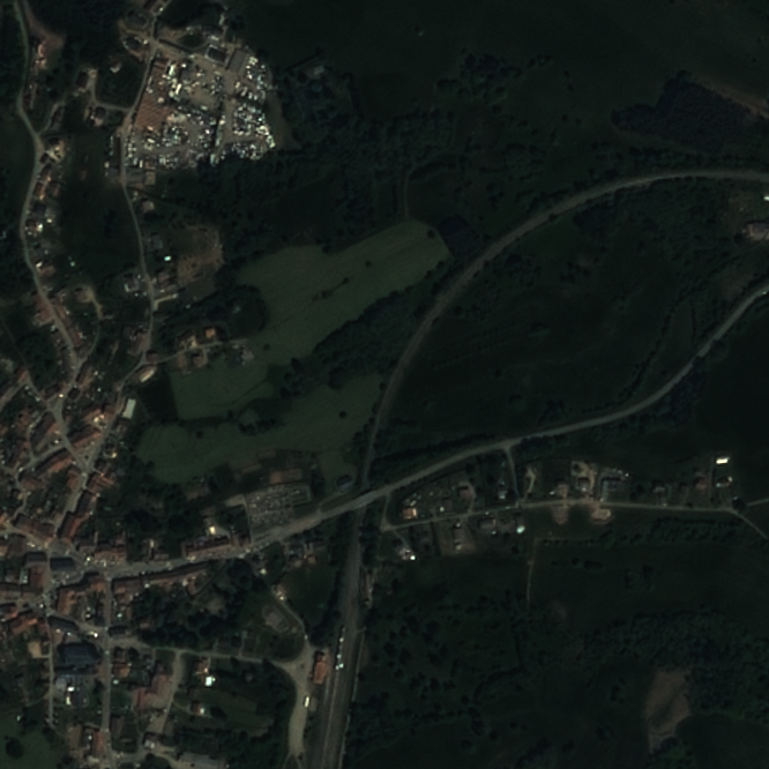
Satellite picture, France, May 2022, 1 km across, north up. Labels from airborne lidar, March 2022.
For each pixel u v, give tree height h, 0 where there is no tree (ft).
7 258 54
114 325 0
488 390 0
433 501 0
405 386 0
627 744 0
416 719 42
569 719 0
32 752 0
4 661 0
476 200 0
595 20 0
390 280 0
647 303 0
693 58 0
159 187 0
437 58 0
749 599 0
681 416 76
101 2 121
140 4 0
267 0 41
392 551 0
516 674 38
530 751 0
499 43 0
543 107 0
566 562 0
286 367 0
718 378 0
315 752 0
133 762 0
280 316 0
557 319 0
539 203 46
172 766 0
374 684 0
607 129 0
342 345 48
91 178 0
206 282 0
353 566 0
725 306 29
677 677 0
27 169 0
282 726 38
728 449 0
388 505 0
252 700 0
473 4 0
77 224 0
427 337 0
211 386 0
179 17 0
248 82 0
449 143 54
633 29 0
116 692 0
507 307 0
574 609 0
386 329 79
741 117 83
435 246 0
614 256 0
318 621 0
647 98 0
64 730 0
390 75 0
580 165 0
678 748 64
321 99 47
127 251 0
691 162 42
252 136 0
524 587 0
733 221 0
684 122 97
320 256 0
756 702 35
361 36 0
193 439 0
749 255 0
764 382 0
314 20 0
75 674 0
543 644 0
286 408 0
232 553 0
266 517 0
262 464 0
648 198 67
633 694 0
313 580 0
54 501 18
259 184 53
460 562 0
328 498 0
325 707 0
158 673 0
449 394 0
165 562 0
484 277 0
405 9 0
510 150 40
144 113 0
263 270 0
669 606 0
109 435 0
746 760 0
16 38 47
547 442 42
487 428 0
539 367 0
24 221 0
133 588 0
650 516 0
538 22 0
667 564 0
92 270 0
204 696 0
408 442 0
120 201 0
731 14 0
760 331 0
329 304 0
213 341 0
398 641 49
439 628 45
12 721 0
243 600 62
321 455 0
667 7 0
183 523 61
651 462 0
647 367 32
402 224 0
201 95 0
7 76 54
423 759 0
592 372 0
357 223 73
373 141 79
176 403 0
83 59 43
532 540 0
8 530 0
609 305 0
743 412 0
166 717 0
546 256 0
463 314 30
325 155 72
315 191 0
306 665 0
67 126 0
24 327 0
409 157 51
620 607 0
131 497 0
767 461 0
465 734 0
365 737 44
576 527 0
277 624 0
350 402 0
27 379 0
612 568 0
